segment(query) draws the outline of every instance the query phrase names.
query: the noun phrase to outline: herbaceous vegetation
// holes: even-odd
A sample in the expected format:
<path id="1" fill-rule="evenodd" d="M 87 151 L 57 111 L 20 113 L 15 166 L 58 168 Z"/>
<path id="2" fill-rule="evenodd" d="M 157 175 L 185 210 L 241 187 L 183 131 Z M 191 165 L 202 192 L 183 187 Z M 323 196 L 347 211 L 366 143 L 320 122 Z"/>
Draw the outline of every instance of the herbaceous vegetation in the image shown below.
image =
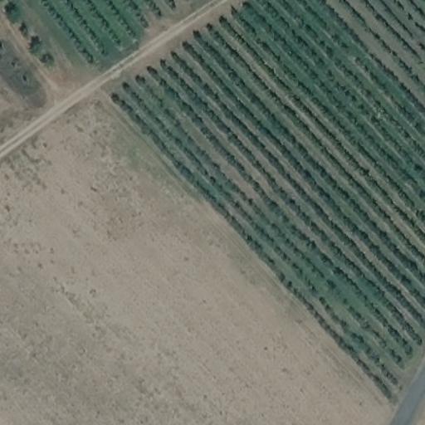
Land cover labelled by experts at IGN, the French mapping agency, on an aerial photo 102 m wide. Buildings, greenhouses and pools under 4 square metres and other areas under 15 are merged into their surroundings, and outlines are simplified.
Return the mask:
<path id="1" fill-rule="evenodd" d="M 143 75 L 148 66 L 156 68 L 161 63 L 159 60 L 163 60 L 168 51 L 181 55 L 184 51 L 183 42 L 194 45 L 196 38 L 193 32 L 188 30 L 179 37 L 169 40 L 166 45 L 154 51 L 153 55 L 146 56 L 133 68 L 121 73 L 120 78 L 101 86 L 111 96 L 111 100 L 115 101 L 118 100 L 118 96 L 129 96 L 126 88 L 129 83 L 136 80 L 136 76 Z"/>
<path id="2" fill-rule="evenodd" d="M 153 12 L 146 17 L 148 28 L 144 30 L 143 42 L 158 37 L 159 33 L 168 30 L 173 23 L 181 22 L 183 18 L 211 0 L 154 0 L 156 3 L 151 7 Z"/>
<path id="3" fill-rule="evenodd" d="M 360 0 L 349 0 L 350 5 L 367 20 L 370 27 L 379 33 L 390 48 L 397 51 L 400 58 L 412 68 L 413 73 L 420 76 L 420 80 L 425 83 L 425 70 L 420 68 L 412 53 L 408 53 L 383 28 L 382 23 L 375 20 L 374 15 Z"/>
<path id="4" fill-rule="evenodd" d="M 325 0 L 364 40 L 369 50 L 379 56 L 383 65 L 392 70 L 398 80 L 402 81 L 425 106 L 425 95 L 422 90 L 418 90 L 415 81 L 410 80 L 407 73 L 393 61 L 392 55 L 383 50 L 372 35 L 364 32 L 364 28 L 360 27 L 360 23 L 345 10 L 339 0 Z"/>
<path id="5" fill-rule="evenodd" d="M 398 382 L 390 388 L 393 395 L 388 398 L 388 402 L 397 403 L 400 407 L 425 365 L 425 312 L 418 319 L 412 317 L 408 320 L 415 332 L 422 337 L 422 345 L 418 347 L 417 352 L 413 352 L 408 362 L 395 362 L 390 367 L 390 372 L 397 375 Z"/>
<path id="6" fill-rule="evenodd" d="M 65 100 L 66 96 L 86 85 L 103 71 L 90 63 L 86 66 L 75 66 L 71 63 L 71 56 L 78 55 L 80 50 L 75 40 L 48 12 L 42 0 L 0 0 L 0 86 L 8 83 L 8 86 L 23 96 L 33 108 L 45 110 L 53 106 L 55 101 Z"/>

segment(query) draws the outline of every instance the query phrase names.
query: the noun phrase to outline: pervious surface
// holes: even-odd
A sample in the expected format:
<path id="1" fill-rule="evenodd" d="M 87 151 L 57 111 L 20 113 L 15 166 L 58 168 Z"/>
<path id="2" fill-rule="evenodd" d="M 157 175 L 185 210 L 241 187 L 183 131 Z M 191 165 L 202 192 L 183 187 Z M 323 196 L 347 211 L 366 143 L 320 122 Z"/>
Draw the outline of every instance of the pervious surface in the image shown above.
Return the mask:
<path id="1" fill-rule="evenodd" d="M 143 42 L 138 50 L 103 71 L 86 85 L 66 96 L 65 100 L 55 101 L 53 106 L 45 110 L 27 126 L 18 129 L 13 138 L 0 143 L 0 151 L 3 154 L 10 153 L 25 139 L 37 133 L 38 129 L 48 125 L 56 116 L 60 116 L 78 101 L 85 100 L 86 96 L 90 96 L 101 86 L 120 78 L 121 73 L 133 68 L 146 56 L 153 55 L 154 51 L 166 45 L 169 40 L 179 37 L 188 30 L 193 32 L 203 25 L 216 22 L 219 17 L 224 17 L 226 13 L 231 12 L 231 8 L 241 8 L 246 0 L 211 0 L 183 18 L 181 22 L 173 23 L 168 30 L 159 33 L 158 37 Z"/>

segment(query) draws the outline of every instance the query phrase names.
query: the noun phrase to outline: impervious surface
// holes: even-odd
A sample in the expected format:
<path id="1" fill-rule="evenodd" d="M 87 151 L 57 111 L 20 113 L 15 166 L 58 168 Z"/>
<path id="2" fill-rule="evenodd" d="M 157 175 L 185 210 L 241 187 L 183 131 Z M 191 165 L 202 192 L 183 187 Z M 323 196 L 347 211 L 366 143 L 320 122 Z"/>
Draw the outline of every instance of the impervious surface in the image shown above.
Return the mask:
<path id="1" fill-rule="evenodd" d="M 390 425 L 425 425 L 425 365 L 400 407 Z"/>

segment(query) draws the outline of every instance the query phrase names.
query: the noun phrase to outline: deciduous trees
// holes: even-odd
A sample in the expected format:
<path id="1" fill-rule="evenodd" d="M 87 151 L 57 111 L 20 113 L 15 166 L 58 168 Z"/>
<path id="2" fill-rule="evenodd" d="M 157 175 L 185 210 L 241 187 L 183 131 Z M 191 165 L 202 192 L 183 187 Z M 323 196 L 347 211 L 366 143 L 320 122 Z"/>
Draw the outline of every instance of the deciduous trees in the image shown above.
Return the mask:
<path id="1" fill-rule="evenodd" d="M 425 95 L 425 83 L 420 80 L 420 76 L 413 73 L 412 68 L 400 58 L 397 51 L 390 48 L 379 33 L 370 27 L 367 20 L 350 5 L 349 0 L 339 0 L 345 10 L 360 23 L 360 27 L 364 28 L 364 32 L 372 35 L 383 50 L 392 55 L 393 61 L 407 73 L 410 80 L 415 81 L 418 90 L 422 90 Z"/>
<path id="2" fill-rule="evenodd" d="M 146 17 L 153 12 L 151 7 L 156 3 L 154 0 L 42 0 L 48 12 L 75 40 L 80 50 L 78 55 L 71 56 L 71 63 L 75 66 L 86 66 L 90 63 L 103 71 L 138 50 L 143 42 L 144 30 L 148 28 Z"/>
<path id="3" fill-rule="evenodd" d="M 395 362 L 408 362 L 413 352 L 417 352 L 418 347 L 422 345 L 422 337 L 415 332 L 408 320 L 412 317 L 418 319 L 425 312 L 425 106 L 402 81 L 398 80 L 392 70 L 383 65 L 379 56 L 369 50 L 364 40 L 325 0 L 246 0 L 241 8 L 231 8 L 231 12 L 226 13 L 224 17 L 219 17 L 216 22 L 203 25 L 193 32 L 196 38 L 194 45 L 183 42 L 184 51 L 181 55 L 168 51 L 163 60 L 159 60 L 161 63 L 156 68 L 148 66 L 143 75 L 136 76 L 136 80 L 129 83 L 126 88 L 129 96 L 118 96 L 118 100 L 115 101 L 116 105 L 120 105 L 128 113 L 129 118 L 139 125 L 144 134 L 151 136 L 154 144 L 173 161 L 174 166 L 186 176 L 189 183 L 194 184 L 204 198 L 208 199 L 212 208 L 241 234 L 242 239 L 257 252 L 257 256 L 271 267 L 279 281 L 287 287 L 287 291 L 292 292 L 307 307 L 320 327 L 339 344 L 340 349 L 345 350 L 355 360 L 355 364 L 362 367 L 367 377 L 374 380 L 380 392 L 388 398 L 393 395 L 390 388 L 398 382 L 397 375 L 390 372 L 390 367 Z"/>
<path id="4" fill-rule="evenodd" d="M 425 0 L 360 0 L 374 15 L 375 20 L 382 23 L 383 28 L 408 53 L 412 53 L 420 68 L 425 70 Z"/>

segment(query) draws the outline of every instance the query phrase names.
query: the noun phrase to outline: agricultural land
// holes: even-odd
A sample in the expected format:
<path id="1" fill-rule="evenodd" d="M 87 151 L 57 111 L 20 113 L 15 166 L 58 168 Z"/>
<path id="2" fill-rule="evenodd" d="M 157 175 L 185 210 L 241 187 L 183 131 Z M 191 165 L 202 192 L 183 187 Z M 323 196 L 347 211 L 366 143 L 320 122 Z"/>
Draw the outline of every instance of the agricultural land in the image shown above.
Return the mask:
<path id="1" fill-rule="evenodd" d="M 340 349 L 339 344 L 320 327 L 307 307 L 292 292 L 287 291 L 287 287 L 279 281 L 271 267 L 257 256 L 257 252 L 242 239 L 241 234 L 212 208 L 208 199 L 204 198 L 194 184 L 189 183 L 186 176 L 174 166 L 173 161 L 154 144 L 151 136 L 144 134 L 139 125 L 129 118 L 128 113 L 120 105 L 116 105 L 115 101 L 111 100 L 111 96 L 101 86 L 90 96 L 86 96 L 85 100 L 78 101 L 60 116 L 56 116 L 48 125 L 38 129 L 37 133 L 25 139 L 10 153 L 3 154 L 0 151 L 0 425 L 390 425 L 400 407 L 397 403 L 388 402 L 388 398 L 380 392 L 374 380 L 367 377 L 362 367 L 355 364 L 355 360 L 345 350 Z"/>
<path id="2" fill-rule="evenodd" d="M 45 110 L 33 108 L 23 96 L 8 86 L 8 83 L 0 86 L 0 143 L 13 138 L 18 129 L 27 126 Z"/>

